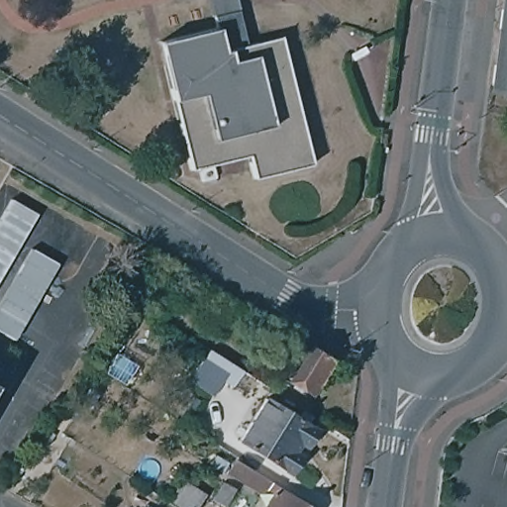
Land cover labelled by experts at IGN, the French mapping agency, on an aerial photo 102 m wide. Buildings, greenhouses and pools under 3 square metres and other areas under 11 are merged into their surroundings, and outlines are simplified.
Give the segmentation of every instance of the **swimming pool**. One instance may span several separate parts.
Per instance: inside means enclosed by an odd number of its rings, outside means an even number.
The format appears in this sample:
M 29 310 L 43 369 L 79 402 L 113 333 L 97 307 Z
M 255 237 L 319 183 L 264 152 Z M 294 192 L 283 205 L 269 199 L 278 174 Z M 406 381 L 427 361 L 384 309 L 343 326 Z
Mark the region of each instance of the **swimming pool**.
M 139 471 L 154 479 L 158 475 L 158 463 L 154 459 L 149 459 L 139 461 Z

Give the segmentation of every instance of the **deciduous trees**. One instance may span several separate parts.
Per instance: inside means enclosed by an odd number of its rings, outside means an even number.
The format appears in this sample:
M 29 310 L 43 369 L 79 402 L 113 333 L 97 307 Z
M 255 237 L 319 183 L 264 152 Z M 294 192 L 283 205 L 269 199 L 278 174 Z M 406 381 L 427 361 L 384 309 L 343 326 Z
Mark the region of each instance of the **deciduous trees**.
M 222 444 L 218 444 L 214 438 L 206 434 L 200 420 L 182 414 L 170 426 L 170 436 L 164 436 L 156 456 L 176 456 L 180 452 L 180 446 L 186 446 L 200 461 L 210 459 L 210 454 L 220 456 Z
M 446 448 L 446 454 L 442 454 L 444 485 L 440 507 L 456 507 L 456 457 L 461 456 L 465 444 L 473 444 L 477 438 L 489 434 L 499 422 L 507 420 L 507 400 L 495 412 L 491 412 L 485 422 L 465 420 L 457 428 L 454 442 Z
M 34 491 L 46 493 L 53 479 L 51 473 L 30 479 L 28 485 L 18 493 L 26 495 Z
M 152 131 L 141 143 L 141 147 L 131 147 L 127 154 L 121 156 L 131 164 L 135 172 L 133 180 L 137 180 L 139 184 L 160 182 L 166 186 L 172 180 L 180 182 L 180 168 L 174 168 L 172 147 L 168 143 L 158 143 L 158 137 Z
M 321 210 L 319 192 L 313 184 L 305 180 L 283 184 L 271 194 L 269 210 L 285 226 L 315 226 L 323 220 L 321 216 L 325 214 Z
M 297 485 L 309 489 L 317 487 L 319 479 L 303 469 L 297 475 Z
M 156 503 L 166 507 L 176 507 L 174 499 L 184 485 L 198 487 L 200 483 L 206 483 L 212 487 L 212 493 L 216 493 L 220 485 L 220 475 L 212 475 L 206 469 L 192 473 L 174 471 L 172 479 L 168 483 L 164 481 L 158 491 L 152 491 L 151 485 L 131 475 L 131 485 L 137 489 L 141 499 L 149 493 L 158 493 Z
M 121 279 L 117 279 L 119 271 L 127 271 L 129 275 L 137 273 L 145 277 L 147 303 L 143 313 L 137 313 L 131 307 L 131 299 L 125 293 Z M 170 255 L 164 255 L 158 250 L 147 250 L 141 246 L 135 252 L 127 253 L 127 259 L 123 261 L 115 257 L 109 261 L 105 273 L 95 277 L 93 283 L 79 297 L 87 317 L 87 325 L 95 327 L 95 337 L 85 347 L 85 353 L 79 353 L 77 356 L 79 360 L 83 360 L 83 368 L 77 374 L 73 386 L 67 390 L 67 400 L 53 400 L 50 412 L 36 416 L 32 426 L 28 428 L 28 434 L 38 432 L 48 436 L 50 440 L 57 434 L 59 424 L 79 414 L 91 396 L 107 392 L 113 378 L 109 374 L 109 368 L 117 358 L 115 347 L 123 331 L 127 329 L 129 321 L 137 323 L 139 329 L 143 325 L 151 331 L 147 343 L 149 347 L 160 347 L 160 355 L 152 362 L 149 372 L 143 374 L 143 380 L 152 380 L 162 386 L 168 382 L 170 386 L 176 386 L 176 402 L 184 406 L 186 412 L 196 408 L 208 410 L 210 398 L 198 386 L 196 378 L 198 366 L 202 364 L 202 360 L 208 358 L 208 355 L 202 353 L 202 345 L 206 341 L 226 345 L 244 356 L 244 370 L 244 372 L 250 372 L 253 366 L 267 366 L 271 370 L 285 368 L 285 335 L 283 321 L 279 317 L 255 309 L 252 303 L 234 299 L 230 293 L 222 291 L 218 285 L 212 285 L 210 281 L 192 281 L 188 267 L 178 263 Z
M 343 422 L 321 416 L 321 424 L 327 432 L 337 430 L 349 438 L 355 436 L 356 430 L 347 428 Z
M 6 489 L 20 481 L 22 469 L 38 465 L 46 456 L 42 444 L 26 442 L 22 448 L 14 448 L 12 459 L 0 459 L 0 497 L 4 497 Z
M 145 438 L 152 432 L 154 422 L 151 416 L 141 414 L 137 416 L 135 426 L 129 430 L 133 438 Z
M 51 113 L 51 117 L 71 127 L 75 121 L 61 107 L 61 103 L 48 105 L 44 109 Z
M 353 364 L 339 360 L 335 362 L 331 372 L 335 384 L 351 382 L 356 378 Z
M 101 424 L 107 432 L 115 432 L 125 424 L 125 418 L 121 418 L 121 414 L 115 410 L 109 410 L 103 416 Z
M 53 28 L 59 20 L 57 0 L 20 0 L 20 16 L 24 20 L 30 20 L 34 26 L 42 26 L 46 30 Z

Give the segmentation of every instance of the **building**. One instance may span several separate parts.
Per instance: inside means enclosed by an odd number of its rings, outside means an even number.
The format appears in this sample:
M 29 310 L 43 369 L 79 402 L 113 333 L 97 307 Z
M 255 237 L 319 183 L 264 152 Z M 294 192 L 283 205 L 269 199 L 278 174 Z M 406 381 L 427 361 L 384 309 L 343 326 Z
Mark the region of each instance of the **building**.
M 242 380 L 244 372 L 244 370 L 218 353 L 208 355 L 208 358 L 202 360 L 202 364 L 198 366 L 196 378 L 198 386 L 210 398 L 216 396 L 222 388 L 238 390 L 238 382 Z
M 216 493 L 212 493 L 212 487 L 206 483 L 200 483 L 198 487 L 184 485 L 174 499 L 176 507 L 315 507 L 287 491 L 281 491 L 275 483 L 267 483 L 255 469 L 242 463 L 230 467 L 230 479 L 226 479 L 226 483 L 220 485 Z
M 38 212 L 12 200 L 0 216 L 0 281 L 6 275 L 22 244 L 26 242 L 28 234 L 32 232 L 38 220 Z
M 12 341 L 20 339 L 30 315 L 40 303 L 40 297 L 46 291 L 51 277 L 55 275 L 59 263 L 46 253 L 32 250 L 18 267 L 10 287 L 0 299 L 0 333 Z
M 485 103 L 489 105 L 491 85 L 507 93 L 507 0 L 497 0 L 497 24 L 493 26 L 489 75 L 485 81 Z
M 291 71 L 287 67 L 287 38 L 253 44 L 244 20 L 242 0 L 208 0 L 214 10 L 210 18 L 214 22 L 222 22 L 224 30 L 212 30 L 188 38 L 178 38 L 164 42 L 160 46 L 168 89 L 174 103 L 174 115 L 180 123 L 180 131 L 188 151 L 186 162 L 188 168 L 194 172 L 194 168 L 222 166 L 246 162 L 250 166 L 252 178 L 273 176 L 309 166 L 311 145 L 307 143 L 307 139 L 311 137 L 311 131 L 307 119 L 301 119 L 301 111 L 297 105 L 299 97 L 295 95 Z
M 259 400 L 253 402 L 250 418 L 242 422 L 242 428 L 248 434 L 244 438 L 244 444 L 250 446 L 246 454 L 257 457 L 267 469 L 271 469 L 277 475 L 283 475 L 285 469 L 297 475 L 303 469 L 303 465 L 291 459 L 293 454 L 301 454 L 303 450 L 319 446 L 321 438 L 315 438 L 305 432 L 307 420 L 297 416 L 289 408 L 283 408 L 269 394 L 259 396 Z
M 250 372 L 267 386 L 269 394 L 281 394 L 287 388 L 295 388 L 301 394 L 321 398 L 321 382 L 331 372 L 335 362 L 339 360 L 335 356 L 327 355 L 325 351 L 305 353 L 299 337 L 285 335 L 285 368 L 271 370 L 267 366 L 253 366 Z

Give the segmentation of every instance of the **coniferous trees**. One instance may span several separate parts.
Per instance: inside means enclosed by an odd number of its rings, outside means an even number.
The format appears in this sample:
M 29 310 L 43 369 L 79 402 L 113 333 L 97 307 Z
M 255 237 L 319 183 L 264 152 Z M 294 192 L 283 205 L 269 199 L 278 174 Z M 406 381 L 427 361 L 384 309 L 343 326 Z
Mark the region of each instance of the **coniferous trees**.
M 91 125 L 95 125 L 97 129 L 101 127 L 103 115 L 123 99 L 123 95 L 113 87 L 107 87 L 103 77 L 99 75 L 99 65 L 93 63 L 83 51 L 69 48 L 65 44 L 53 55 L 48 65 L 44 65 L 32 77 L 48 105 L 61 103 L 61 107 L 75 121 L 83 121 L 85 117 L 89 117 Z

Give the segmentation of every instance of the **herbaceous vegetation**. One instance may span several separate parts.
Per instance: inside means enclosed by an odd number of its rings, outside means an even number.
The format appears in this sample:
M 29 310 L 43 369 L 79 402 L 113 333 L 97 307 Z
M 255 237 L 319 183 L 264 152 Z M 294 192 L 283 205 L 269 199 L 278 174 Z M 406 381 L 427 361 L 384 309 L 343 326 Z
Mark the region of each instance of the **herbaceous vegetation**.
M 444 267 L 434 269 L 430 273 L 442 285 L 444 297 L 436 299 L 434 303 L 428 299 L 414 297 L 412 307 L 418 323 L 434 311 L 444 309 L 448 303 L 461 299 L 467 289 L 475 287 L 463 269 L 456 271 L 454 267 Z
M 208 355 L 218 353 L 244 370 L 244 356 L 226 345 L 206 341 L 202 345 L 202 353 Z
M 479 180 L 495 194 L 501 186 L 507 186 L 507 93 L 491 85 L 489 105 L 479 162 Z
M 51 473 L 53 479 L 46 493 L 34 491 L 26 495 L 26 499 L 34 499 L 34 505 L 38 507 L 166 507 L 156 503 L 158 493 L 149 493 L 141 499 L 137 489 L 131 485 L 131 475 L 151 485 L 152 491 L 158 491 L 164 481 L 168 483 L 172 479 L 174 471 L 192 473 L 206 469 L 212 475 L 220 475 L 220 485 L 226 483 L 226 479 L 230 479 L 230 467 L 242 463 L 244 454 L 224 442 L 222 430 L 212 426 L 208 410 L 196 408 L 186 412 L 184 406 L 176 402 L 176 386 L 170 386 L 168 382 L 162 386 L 152 380 L 143 380 L 143 374 L 149 372 L 152 362 L 160 355 L 160 347 L 149 347 L 147 343 L 151 331 L 143 325 L 139 329 L 137 323 L 129 321 L 127 329 L 123 331 L 115 347 L 117 358 L 109 368 L 109 374 L 113 378 L 107 392 L 91 396 L 79 414 L 59 424 L 57 434 L 57 438 L 51 442 L 50 456 L 46 456 L 38 465 L 22 469 L 20 481 L 6 489 L 4 497 L 12 497 L 14 493 L 18 493 L 28 485 L 30 479 Z M 125 424 L 115 432 L 107 432 L 101 424 L 103 416 L 109 410 L 115 410 L 121 414 L 121 418 L 125 418 Z M 152 432 L 145 438 L 133 438 L 129 430 L 135 426 L 137 416 L 141 414 L 151 416 L 154 422 Z M 218 444 L 222 444 L 220 456 L 210 454 L 210 459 L 200 461 L 186 446 L 180 446 L 180 452 L 176 456 L 156 456 L 164 436 L 170 436 L 170 426 L 182 414 L 200 420 L 206 434 L 214 438 Z M 154 479 L 139 471 L 139 461 L 149 459 L 154 459 L 158 463 L 158 475 Z
M 311 170 L 309 166 L 273 176 L 252 178 L 250 166 L 246 162 L 222 166 L 222 174 L 216 178 L 216 182 L 200 182 L 200 174 L 194 172 L 188 168 L 186 162 L 188 151 L 180 131 L 180 123 L 174 115 L 174 103 L 168 89 L 160 46 L 164 42 L 178 38 L 188 38 L 212 30 L 224 30 L 222 22 L 214 22 L 210 18 L 214 10 L 208 0 L 57 0 L 59 20 L 53 28 L 46 30 L 42 26 L 34 26 L 30 20 L 24 20 L 20 16 L 20 0 L 0 0 L 0 61 L 6 61 L 8 67 L 22 79 L 32 77 L 44 65 L 48 65 L 53 55 L 65 44 L 69 48 L 83 51 L 93 63 L 99 65 L 99 75 L 103 77 L 107 87 L 113 87 L 123 95 L 123 99 L 103 115 L 101 127 L 109 135 L 131 147 L 141 147 L 141 143 L 152 131 L 158 137 L 158 143 L 168 143 L 172 147 L 174 168 L 180 168 L 180 182 L 186 188 L 204 194 L 220 206 L 242 202 L 246 224 L 257 236 L 263 236 L 267 240 L 287 240 L 289 234 L 285 232 L 285 226 L 269 210 L 271 194 L 283 184 L 305 180 L 313 184 L 319 192 L 321 210 L 325 214 L 339 204 L 345 192 L 349 162 L 355 160 L 358 166 L 364 166 L 368 158 L 372 158 L 374 149 L 374 135 L 366 129 L 358 115 L 355 99 L 343 69 L 345 51 L 351 50 L 353 53 L 368 48 L 370 36 L 353 32 L 353 24 L 360 24 L 378 32 L 394 28 L 398 0 L 301 0 L 299 4 L 277 2 L 273 6 L 255 6 L 253 16 L 259 32 L 289 26 L 299 28 L 299 40 L 307 57 L 321 121 L 329 143 L 329 152 L 319 158 L 319 168 Z
M 321 438 L 319 446 L 319 454 L 309 459 L 311 465 L 321 469 L 319 479 L 317 487 L 327 487 L 331 499 L 343 497 L 349 459 L 349 438 L 337 430 L 327 432 L 321 424 L 321 416 L 343 422 L 347 428 L 356 430 L 358 420 L 356 416 L 351 416 L 351 412 L 355 402 L 356 378 L 351 382 L 335 384 L 331 372 L 321 382 L 321 398 L 301 394 L 295 388 L 287 388 L 281 394 L 269 394 L 283 408 L 289 408 L 297 416 L 307 420 L 305 432 L 315 438 Z
M 117 279 L 121 279 L 125 293 L 131 299 L 131 307 L 137 313 L 143 313 L 147 303 L 145 277 L 137 273 L 129 275 L 127 271 L 119 271 Z

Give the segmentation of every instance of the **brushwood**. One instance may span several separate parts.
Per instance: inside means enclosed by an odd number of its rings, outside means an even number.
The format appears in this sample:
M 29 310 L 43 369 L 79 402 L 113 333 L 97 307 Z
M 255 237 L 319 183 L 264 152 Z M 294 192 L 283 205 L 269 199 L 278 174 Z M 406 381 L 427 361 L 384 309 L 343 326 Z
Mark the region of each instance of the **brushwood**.
M 345 51 L 343 69 L 355 99 L 358 115 L 366 129 L 374 135 L 374 149 L 372 158 L 368 158 L 364 166 L 358 166 L 355 160 L 349 162 L 345 192 L 339 204 L 325 214 L 321 216 L 323 220 L 315 226 L 285 226 L 285 232 L 289 234 L 287 240 L 267 240 L 263 236 L 257 236 L 246 224 L 242 202 L 220 206 L 204 194 L 186 188 L 180 182 L 172 180 L 166 186 L 178 196 L 192 202 L 196 208 L 206 210 L 218 222 L 228 226 L 228 234 L 250 242 L 257 250 L 287 265 L 287 273 L 295 273 L 301 267 L 301 263 L 311 265 L 313 261 L 329 252 L 329 248 L 335 242 L 345 238 L 345 234 L 351 234 L 353 230 L 362 230 L 366 222 L 378 218 L 384 206 L 382 182 L 388 145 L 382 129 L 370 123 L 364 99 L 360 95 L 353 73 L 356 61 L 353 59 L 353 53 L 351 50 Z
M 44 186 L 38 186 L 34 180 L 10 174 L 10 186 L 42 202 L 63 218 L 79 224 L 87 232 L 93 232 L 95 236 L 105 238 L 109 242 L 123 240 L 125 234 L 121 230 L 101 222 L 91 212 L 53 194 Z
M 400 40 L 404 32 L 406 0 L 398 0 L 394 28 L 378 32 L 360 24 L 353 24 L 353 32 L 370 36 L 368 48 L 370 50 L 372 46 L 378 46 L 394 38 L 394 55 L 390 65 L 384 113 L 392 115 L 396 111 L 398 105 L 394 103 L 394 95 Z
M 434 303 L 436 299 L 444 297 L 442 285 L 430 273 L 424 275 L 414 297 L 428 299 Z
M 10 85 L 16 93 L 28 93 L 34 99 L 34 103 L 44 109 L 48 105 L 32 77 L 22 79 L 8 67 L 6 61 L 0 61 L 0 85 Z
M 461 299 L 448 303 L 444 309 L 434 311 L 418 323 L 424 335 L 436 333 L 436 341 L 440 343 L 456 339 L 475 317 L 475 287 L 467 289 Z
M 109 135 L 101 127 L 97 129 L 95 125 L 91 125 L 89 117 L 85 117 L 83 121 L 75 121 L 71 127 L 73 131 L 87 135 L 97 145 L 121 156 L 127 154 L 131 147 Z

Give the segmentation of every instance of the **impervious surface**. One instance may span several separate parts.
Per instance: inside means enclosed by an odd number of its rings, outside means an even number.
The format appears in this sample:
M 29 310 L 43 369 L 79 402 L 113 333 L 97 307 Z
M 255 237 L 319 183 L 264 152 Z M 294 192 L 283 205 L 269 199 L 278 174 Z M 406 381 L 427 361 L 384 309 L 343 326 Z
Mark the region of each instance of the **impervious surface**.
M 18 493 L 14 493 L 12 497 L 4 497 L 0 497 L 0 507 L 38 507 L 34 505 L 34 499 L 26 499 L 26 495 Z
M 307 139 L 307 143 L 311 145 L 309 166 L 311 170 L 319 168 L 319 158 L 329 152 L 329 143 L 321 121 L 307 57 L 299 40 L 299 28 L 289 26 L 259 32 L 253 16 L 255 6 L 273 6 L 277 2 L 299 4 L 301 0 L 242 0 L 244 20 L 253 44 L 287 38 L 287 67 L 291 71 L 295 95 L 299 97 L 297 105 L 301 111 L 301 119 L 307 119 L 311 131 L 311 137 Z
M 495 194 L 479 180 L 479 162 L 489 105 L 485 103 L 485 81 L 489 75 L 493 26 L 497 24 L 497 0 L 406 0 L 404 32 L 400 40 L 394 95 L 394 103 L 398 105 L 396 111 L 392 115 L 384 113 L 390 65 L 394 55 L 394 38 L 378 46 L 372 46 L 370 50 L 368 48 L 353 53 L 353 59 L 356 61 L 353 73 L 360 95 L 364 99 L 370 123 L 382 129 L 388 145 L 382 182 L 384 206 L 378 218 L 366 222 L 362 230 L 353 230 L 351 234 L 345 234 L 345 238 L 335 242 L 329 248 L 329 252 L 313 261 L 311 265 L 301 263 L 301 267 L 295 273 L 287 273 L 287 265 L 257 250 L 250 242 L 228 234 L 228 226 L 218 222 L 206 210 L 196 208 L 192 202 L 178 196 L 166 186 L 160 182 L 139 184 L 137 180 L 133 180 L 135 172 L 131 164 L 121 156 L 97 145 L 87 135 L 73 131 L 71 127 L 51 117 L 51 113 L 44 109 L 34 103 L 34 99 L 28 93 L 16 93 L 10 85 L 0 85 L 0 216 L 12 200 L 38 212 L 38 220 L 32 232 L 28 234 L 26 242 L 22 244 L 6 275 L 0 281 L 0 299 L 10 287 L 18 267 L 32 250 L 46 253 L 59 263 L 55 275 L 51 277 L 46 291 L 40 297 L 40 303 L 30 315 L 20 339 L 12 341 L 0 333 L 0 459 L 12 459 L 14 448 L 22 448 L 26 442 L 42 444 L 46 456 L 50 456 L 51 442 L 57 438 L 57 434 L 50 440 L 48 436 L 38 432 L 28 434 L 28 428 L 32 426 L 36 416 L 50 412 L 53 400 L 67 400 L 67 390 L 73 386 L 77 374 L 83 368 L 83 360 L 79 360 L 77 356 L 79 353 L 85 353 L 85 347 L 95 337 L 95 327 L 87 325 L 87 317 L 79 297 L 93 283 L 95 277 L 105 273 L 109 261 L 115 257 L 123 261 L 127 259 L 127 253 L 135 252 L 141 246 L 147 250 L 158 250 L 164 255 L 170 255 L 178 263 L 188 267 L 192 281 L 210 281 L 212 285 L 218 285 L 222 291 L 230 293 L 234 299 L 252 303 L 255 309 L 279 317 L 283 321 L 285 335 L 299 337 L 305 353 L 325 351 L 327 355 L 335 356 L 339 360 L 353 364 L 356 378 L 355 402 L 351 412 L 351 416 L 356 416 L 358 420 L 356 430 L 355 436 L 349 438 L 349 459 L 343 497 L 331 499 L 327 487 L 317 487 L 309 489 L 297 485 L 297 475 L 285 469 L 283 475 L 277 475 L 271 469 L 267 469 L 257 457 L 246 454 L 250 446 L 244 444 L 244 438 L 248 434 L 242 428 L 242 422 L 250 418 L 253 402 L 259 400 L 259 396 L 269 394 L 267 386 L 250 372 L 244 372 L 242 380 L 238 382 L 238 390 L 222 388 L 216 396 L 210 398 L 208 410 L 212 426 L 222 430 L 224 442 L 244 454 L 242 463 L 255 469 L 267 483 L 275 483 L 281 491 L 287 491 L 315 507 L 440 507 L 444 485 L 442 454 L 446 454 L 446 448 L 454 442 L 457 428 L 465 420 L 485 422 L 491 412 L 495 412 L 507 400 L 507 186 L 501 186 Z M 79 224 L 63 218 L 42 202 L 10 186 L 10 174 L 34 180 L 38 186 L 44 186 L 53 194 L 91 212 L 101 222 L 121 230 L 125 234 L 123 240 L 109 242 L 105 238 L 95 236 L 93 232 L 87 232 Z M 412 307 L 414 297 L 424 275 L 430 273 L 434 269 L 444 267 L 454 267 L 456 271 L 463 269 L 475 287 L 475 317 L 456 339 L 440 343 L 436 341 L 436 333 L 424 335 L 418 323 Z
M 303 450 L 301 454 L 293 454 L 291 459 L 303 465 L 303 469 L 319 479 L 321 469 L 311 465 L 309 459 L 319 454 L 319 446 Z
M 216 178 L 222 174 L 222 166 L 194 168 L 194 172 L 200 174 L 200 182 L 216 182 Z
M 507 507 L 507 420 L 499 422 L 489 434 L 477 438 L 473 444 L 465 444 L 461 456 L 456 457 L 456 507 Z

